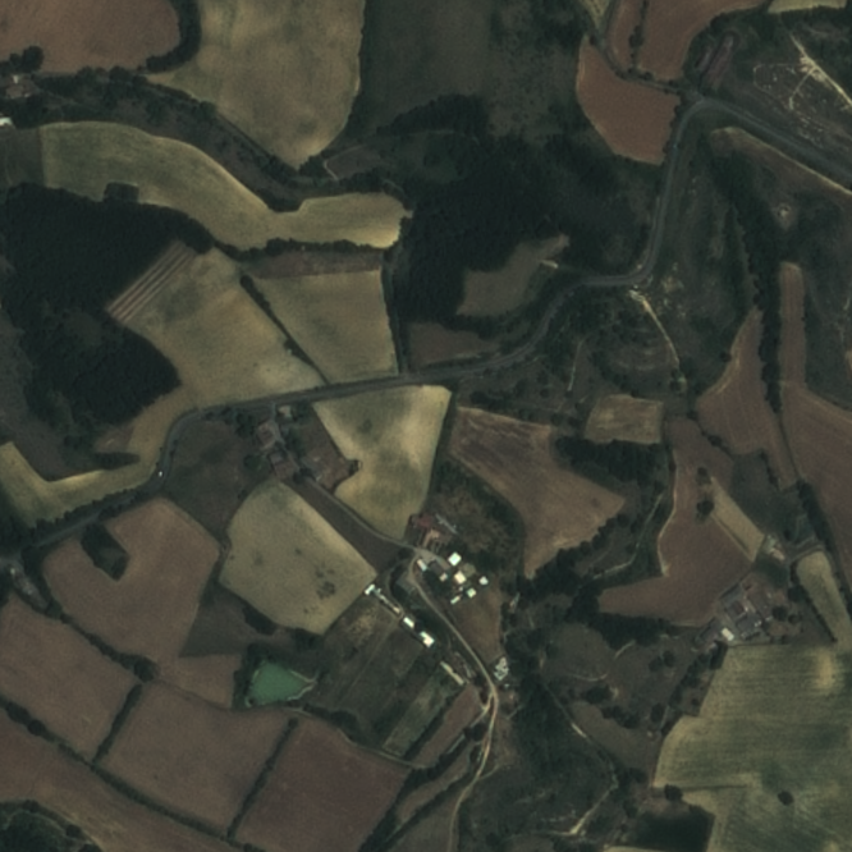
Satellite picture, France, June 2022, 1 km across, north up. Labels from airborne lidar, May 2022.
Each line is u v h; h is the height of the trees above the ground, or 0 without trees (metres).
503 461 0
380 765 0
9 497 0
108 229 19
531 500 0
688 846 0
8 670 0
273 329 0
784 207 0
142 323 0
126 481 0
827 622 10
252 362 0
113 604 0
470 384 0
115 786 7
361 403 0
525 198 13
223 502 0
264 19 0
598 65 0
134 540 0
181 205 0
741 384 0
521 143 12
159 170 0
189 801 0
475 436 0
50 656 0
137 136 0
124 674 0
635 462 12
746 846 0
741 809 0
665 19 0
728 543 0
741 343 0
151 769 0
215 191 0
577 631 0
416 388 0
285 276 0
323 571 0
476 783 0
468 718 0
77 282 16
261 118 0
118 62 0
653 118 0
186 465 0
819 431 0
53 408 9
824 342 0
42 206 17
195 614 0
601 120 0
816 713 0
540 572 9
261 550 0
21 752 0
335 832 0
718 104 0
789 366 0
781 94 0
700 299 0
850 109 0
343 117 0
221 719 0
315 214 0
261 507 0
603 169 8
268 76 0
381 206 0
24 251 15
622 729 0
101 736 0
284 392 0
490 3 0
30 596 8
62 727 0
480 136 10
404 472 0
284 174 17
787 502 0
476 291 0
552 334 10
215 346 0
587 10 6
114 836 0
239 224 0
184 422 0
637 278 0
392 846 6
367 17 8
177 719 0
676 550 0
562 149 8
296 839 0
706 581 0
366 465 0
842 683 0
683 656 0
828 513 0
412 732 0
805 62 0
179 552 0
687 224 0
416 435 0
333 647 0
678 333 0
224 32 0
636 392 9
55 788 0
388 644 0
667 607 0
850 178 0
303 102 0
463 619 0
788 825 0
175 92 11
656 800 0
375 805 0
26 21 0
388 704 0
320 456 0
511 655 8
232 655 0
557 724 9
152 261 11
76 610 0
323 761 0
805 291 0
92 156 0
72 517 13
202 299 0
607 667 0
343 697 0
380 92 0
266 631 10
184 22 6
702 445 0
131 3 0
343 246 12
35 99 13
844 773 0
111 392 18
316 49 0
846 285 0
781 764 0
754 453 0
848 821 0
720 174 9
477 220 22
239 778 0
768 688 0
